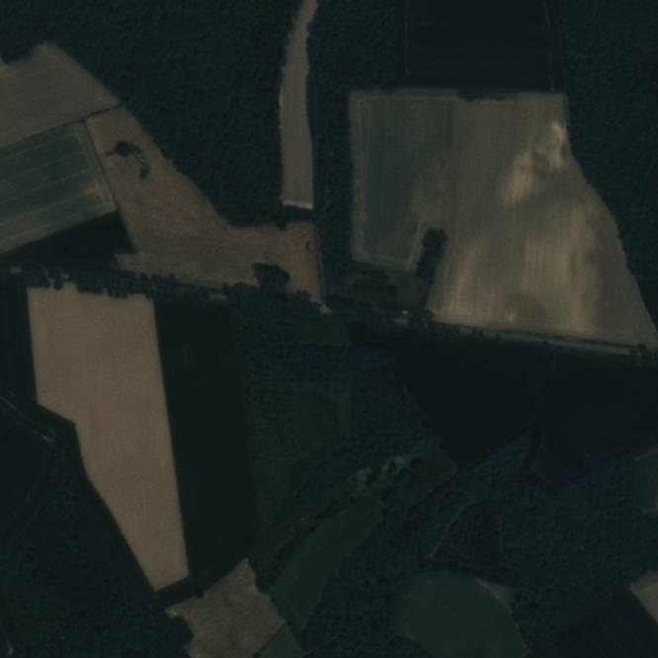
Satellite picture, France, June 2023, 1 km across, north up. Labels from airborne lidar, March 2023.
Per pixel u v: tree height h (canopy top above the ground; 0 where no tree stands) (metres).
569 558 27
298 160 0
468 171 0
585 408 0
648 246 24
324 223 22
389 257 0
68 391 0
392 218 0
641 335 0
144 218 0
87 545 17
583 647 0
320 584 0
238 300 24
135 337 0
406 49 0
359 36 15
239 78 26
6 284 0
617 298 0
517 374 0
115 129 0
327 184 18
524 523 21
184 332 0
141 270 0
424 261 19
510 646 0
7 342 0
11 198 0
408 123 0
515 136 0
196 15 14
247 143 20
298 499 14
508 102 0
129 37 18
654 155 25
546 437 0
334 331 0
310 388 0
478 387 0
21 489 0
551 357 0
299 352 19
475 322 0
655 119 23
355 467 15
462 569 10
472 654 0
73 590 16
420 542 17
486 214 0
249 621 0
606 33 23
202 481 0
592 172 19
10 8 21
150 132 7
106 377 0
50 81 0
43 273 26
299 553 0
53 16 18
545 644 0
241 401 0
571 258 0
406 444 26
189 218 0
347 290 0
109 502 0
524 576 25
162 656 22
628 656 0
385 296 0
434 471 0
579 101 27
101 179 0
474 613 0
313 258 0
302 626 0
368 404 15
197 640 0
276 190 17
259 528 0
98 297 0
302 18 0
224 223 0
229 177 17
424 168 0
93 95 0
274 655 0
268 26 7
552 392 0
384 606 7
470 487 24
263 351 15
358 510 0
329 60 20
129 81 17
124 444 0
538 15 0
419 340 0
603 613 0
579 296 0
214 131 17
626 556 24
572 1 20
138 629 20
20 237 0
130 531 0
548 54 0
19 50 17
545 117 0
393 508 14
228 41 23
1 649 0
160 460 0
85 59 13
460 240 0
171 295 15
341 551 0
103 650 25
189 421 0
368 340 0
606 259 0
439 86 0
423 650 19
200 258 0
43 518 17
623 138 24
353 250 0
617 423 0
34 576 19
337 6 19
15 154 0
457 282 0
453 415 0
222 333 0
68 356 0
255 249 0
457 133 0
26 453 0
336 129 15
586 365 0
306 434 0
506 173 0
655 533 20
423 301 0
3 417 0
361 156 0
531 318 0
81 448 0
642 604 0
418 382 0
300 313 29
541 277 0
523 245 0
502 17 0
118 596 15
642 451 0
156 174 0
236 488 0
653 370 0
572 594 23
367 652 18
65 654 27
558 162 0
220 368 0
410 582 0
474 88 0
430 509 21
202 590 10
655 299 0
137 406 0
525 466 0
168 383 0
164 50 22
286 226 7
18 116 0
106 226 0
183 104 17
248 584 0
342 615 7
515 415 0
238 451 0
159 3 24
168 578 0
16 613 0
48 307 0
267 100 7
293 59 0
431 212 0
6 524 0
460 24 0
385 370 24
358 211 0
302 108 0
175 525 0
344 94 17
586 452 0
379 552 23
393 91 0
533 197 0
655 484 0
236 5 15
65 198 0
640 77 25
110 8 27
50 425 0
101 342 0
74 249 0
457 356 0
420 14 0
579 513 26
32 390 0
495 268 0
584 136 22
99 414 0
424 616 0
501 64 0
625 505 25
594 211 0
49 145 0
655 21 24
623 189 21
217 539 0
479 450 0
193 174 12
